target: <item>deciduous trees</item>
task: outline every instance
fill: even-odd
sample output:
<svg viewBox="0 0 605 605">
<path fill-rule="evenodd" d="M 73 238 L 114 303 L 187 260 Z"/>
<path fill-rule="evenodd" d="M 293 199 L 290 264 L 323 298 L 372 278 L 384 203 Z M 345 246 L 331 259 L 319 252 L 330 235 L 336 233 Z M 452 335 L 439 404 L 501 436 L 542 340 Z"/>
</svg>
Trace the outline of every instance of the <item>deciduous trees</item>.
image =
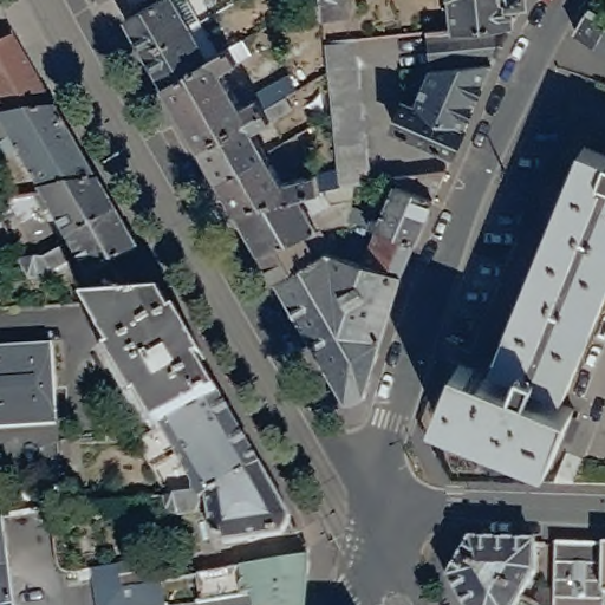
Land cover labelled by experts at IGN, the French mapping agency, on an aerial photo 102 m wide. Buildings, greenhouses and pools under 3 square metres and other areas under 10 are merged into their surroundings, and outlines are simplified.
<svg viewBox="0 0 605 605">
<path fill-rule="evenodd" d="M 116 447 L 130 456 L 137 456 L 147 449 L 144 435 L 149 432 L 149 425 L 139 418 L 139 414 L 132 409 L 132 404 L 123 397 L 121 388 L 116 385 L 97 385 L 90 395 L 80 395 L 85 399 L 80 409 L 90 416 L 92 428 L 80 428 L 76 418 L 59 418 L 57 425 L 61 430 L 61 440 L 113 437 Z"/>
<path fill-rule="evenodd" d="M 184 260 L 180 260 L 175 265 L 163 267 L 163 277 L 175 293 L 189 293 L 199 274 L 191 272 L 191 267 Z"/>
<path fill-rule="evenodd" d="M 125 137 L 135 135 L 139 139 L 151 139 L 165 130 L 165 109 L 156 104 L 156 95 L 144 97 L 139 92 L 139 69 L 125 61 L 125 57 L 123 52 L 106 54 L 102 73 L 104 90 L 113 99 L 125 99 L 125 121 L 121 121 Z"/>
<path fill-rule="evenodd" d="M 333 135 L 331 104 L 326 102 L 321 109 L 305 111 L 303 123 L 307 128 L 321 128 L 326 137 Z"/>
<path fill-rule="evenodd" d="M 95 163 L 109 158 L 109 139 L 87 128 L 92 121 L 92 104 L 87 102 L 87 90 L 83 80 L 69 83 L 66 87 L 57 85 L 50 92 L 52 102 L 59 104 L 59 109 L 69 118 L 80 144 L 87 149 Z"/>
<path fill-rule="evenodd" d="M 210 328 L 215 319 L 208 298 L 203 295 L 189 305 L 196 310 L 199 326 Z"/>
<path fill-rule="evenodd" d="M 272 392 L 272 404 L 281 416 L 293 404 L 303 409 L 310 406 L 314 416 L 314 435 L 340 437 L 340 414 L 324 414 L 312 404 L 324 399 L 326 395 L 324 376 L 312 376 L 305 359 L 291 362 L 286 369 L 277 371 L 277 390 Z"/>
<path fill-rule="evenodd" d="M 35 508 L 43 522 L 43 536 L 52 536 L 54 541 L 61 532 L 76 529 L 78 525 L 90 525 L 92 513 L 99 513 L 106 520 L 116 522 L 132 506 L 147 506 L 154 515 L 168 513 L 165 499 L 173 489 L 165 480 L 156 484 L 139 484 L 128 484 L 123 480 L 116 461 L 104 463 L 99 480 L 83 480 L 76 473 L 69 480 L 59 482 L 45 463 L 28 463 L 26 468 L 0 468 L 0 515 L 9 513 L 17 508 Z"/>
<path fill-rule="evenodd" d="M 139 173 L 128 170 L 125 177 L 111 175 L 113 189 L 111 194 L 118 208 L 123 210 L 135 206 L 139 199 Z"/>
<path fill-rule="evenodd" d="M 581 463 L 574 475 L 577 480 L 605 482 L 605 466 Z"/>
<path fill-rule="evenodd" d="M 262 14 L 262 19 L 269 45 L 279 47 L 284 54 L 291 50 L 288 35 L 293 31 L 305 31 L 314 26 L 314 7 L 319 5 L 317 0 L 265 0 L 267 12 Z"/>
<path fill-rule="evenodd" d="M 222 343 L 210 354 L 210 362 L 210 369 L 215 369 L 217 373 L 229 373 L 234 371 L 236 362 L 229 350 L 229 343 Z"/>
<path fill-rule="evenodd" d="M 378 177 L 371 184 L 359 182 L 357 187 L 352 194 L 352 206 L 378 203 L 388 180 Z"/>
<path fill-rule="evenodd" d="M 0 163 L 0 213 L 7 213 L 9 208 L 12 199 L 21 196 L 19 184 L 12 180 L 9 163 Z"/>
<path fill-rule="evenodd" d="M 324 487 L 319 477 L 303 473 L 300 477 L 286 480 L 284 494 L 300 510 L 319 515 L 324 510 Z"/>
<path fill-rule="evenodd" d="M 258 447 L 262 449 L 265 458 L 269 463 L 293 461 L 298 454 L 295 440 L 286 432 L 279 432 L 277 428 L 265 428 Z"/>
<path fill-rule="evenodd" d="M 421 596 L 437 605 L 440 605 L 444 598 L 444 584 L 440 581 L 418 584 Z"/>
<path fill-rule="evenodd" d="M 90 567 L 123 562 L 123 570 L 132 572 L 130 579 L 158 586 L 168 577 L 191 572 L 189 565 L 196 558 L 194 546 L 199 532 L 194 529 L 182 532 L 177 527 L 144 522 L 139 525 L 137 534 L 125 534 L 123 539 L 118 539 L 118 555 L 113 555 L 109 544 L 97 544 L 92 553 L 83 553 L 80 546 L 66 544 L 66 548 L 59 553 L 59 562 L 66 570 Z"/>
<path fill-rule="evenodd" d="M 593 26 L 596 35 L 605 35 L 605 0 L 591 0 L 588 12 L 598 14 L 598 24 Z"/>
<path fill-rule="evenodd" d="M 19 239 L 14 243 L 0 246 L 0 307 L 24 305 L 31 312 L 33 307 L 43 305 L 73 305 L 78 300 L 78 288 L 73 281 L 64 284 L 64 279 L 59 279 L 52 284 L 40 279 L 38 288 L 28 288 L 28 279 L 19 265 L 19 260 L 26 255 L 26 243 Z"/>
<path fill-rule="evenodd" d="M 262 404 L 258 390 L 253 383 L 246 383 L 236 390 L 232 399 L 241 414 L 258 414 Z"/>
<path fill-rule="evenodd" d="M 229 295 L 239 307 L 260 307 L 267 300 L 267 295 L 255 274 L 241 267 L 236 258 L 236 241 L 232 236 L 234 229 L 229 229 L 227 225 L 206 229 L 194 227 L 194 234 L 201 236 L 201 243 L 194 253 L 201 255 L 203 272 L 217 274 L 225 281 Z"/>
<path fill-rule="evenodd" d="M 139 215 L 132 225 L 132 229 L 139 236 L 149 246 L 154 246 L 163 236 L 161 220 L 151 210 L 147 217 Z"/>
</svg>

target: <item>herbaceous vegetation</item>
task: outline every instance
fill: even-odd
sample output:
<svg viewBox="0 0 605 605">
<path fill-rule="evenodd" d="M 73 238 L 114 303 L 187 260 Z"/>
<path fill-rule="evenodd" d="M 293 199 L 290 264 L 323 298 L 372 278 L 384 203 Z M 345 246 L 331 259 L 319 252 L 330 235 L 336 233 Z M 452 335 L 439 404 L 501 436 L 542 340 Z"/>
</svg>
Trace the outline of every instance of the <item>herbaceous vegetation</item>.
<svg viewBox="0 0 605 605">
<path fill-rule="evenodd" d="M 449 473 L 487 470 L 480 463 L 447 454 Z"/>
<path fill-rule="evenodd" d="M 170 605 L 199 605 L 199 572 L 191 572 L 168 577 L 158 586 L 161 593 L 168 596 L 165 603 Z"/>
<path fill-rule="evenodd" d="M 312 180 L 312 173 L 319 173 L 321 168 L 326 173 L 336 170 L 333 135 L 326 137 L 321 128 L 307 128 L 303 123 L 305 111 L 321 109 L 326 102 L 331 99 L 331 90 L 326 76 L 326 59 L 321 59 L 321 45 L 333 45 L 338 40 L 352 38 L 428 31 L 444 31 L 444 9 L 454 7 L 458 0 L 352 0 L 347 5 L 347 17 L 338 21 L 324 21 L 319 5 L 314 7 L 314 26 L 305 31 L 293 31 L 288 35 L 291 50 L 284 54 L 279 47 L 269 45 L 262 19 L 262 14 L 267 12 L 265 0 L 203 0 L 206 12 L 201 14 L 201 28 L 213 45 L 220 43 L 241 64 L 236 71 L 225 76 L 225 87 L 236 109 L 253 104 L 260 90 L 291 76 L 293 95 L 281 99 L 284 113 L 272 116 L 265 132 L 253 137 L 267 168 L 274 173 L 274 180 L 279 184 L 291 184 L 300 180 Z"/>
<path fill-rule="evenodd" d="M 12 229 L 9 208 L 7 213 L 0 213 L 0 246 L 14 243 L 19 239 L 19 232 Z"/>
<path fill-rule="evenodd" d="M 12 147 L 9 139 L 0 142 L 0 163 L 9 163 L 12 180 L 19 184 L 21 196 L 31 194 L 35 194 L 35 189 L 31 184 L 31 173 L 24 165 L 19 151 Z"/>
<path fill-rule="evenodd" d="M 177 527 L 182 532 L 194 529 L 184 518 L 168 513 L 154 515 L 147 506 L 132 506 L 116 522 L 106 520 L 99 513 L 92 513 L 90 525 L 78 525 L 76 529 L 61 532 L 54 541 L 59 553 L 66 548 L 66 544 L 80 546 L 83 553 L 92 553 L 97 544 L 109 544 L 113 555 L 118 555 L 118 539 L 123 539 L 125 534 L 137 534 L 139 525 L 144 522 Z"/>
<path fill-rule="evenodd" d="M 116 461 L 123 480 L 128 484 L 139 484 L 142 463 L 147 463 L 147 449 L 137 456 L 130 456 L 116 447 L 113 437 L 61 440 L 59 456 L 64 456 L 76 473 L 83 480 L 99 480 L 104 463 Z"/>
<path fill-rule="evenodd" d="M 532 586 L 525 591 L 522 605 L 539 605 L 534 600 L 536 591 L 553 584 L 553 541 L 546 544 L 546 551 L 539 555 L 539 572 Z"/>
</svg>

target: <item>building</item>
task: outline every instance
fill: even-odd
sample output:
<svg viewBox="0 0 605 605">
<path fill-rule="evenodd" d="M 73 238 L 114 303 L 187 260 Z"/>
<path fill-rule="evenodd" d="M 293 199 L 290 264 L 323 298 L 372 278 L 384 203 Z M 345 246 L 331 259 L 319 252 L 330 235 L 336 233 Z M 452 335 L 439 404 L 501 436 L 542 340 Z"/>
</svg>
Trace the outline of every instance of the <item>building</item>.
<svg viewBox="0 0 605 605">
<path fill-rule="evenodd" d="M 352 0 L 317 0 L 319 5 L 324 21 L 338 21 L 347 17 L 347 5 Z"/>
<path fill-rule="evenodd" d="M 64 279 L 64 284 L 73 281 L 73 272 L 59 248 L 31 258 L 26 255 L 19 260 L 19 265 L 28 279 L 28 288 L 38 288 L 40 279 L 52 284 L 59 279 Z"/>
<path fill-rule="evenodd" d="M 473 47 L 503 45 L 508 26 L 489 24 L 489 17 L 503 14 L 513 7 L 515 0 L 458 0 L 454 7 L 444 9 L 444 31 L 428 31 L 428 61 L 423 64 L 425 78 L 414 104 L 397 106 L 397 123 L 390 123 L 390 132 L 411 149 L 428 151 L 430 161 L 442 161 L 442 165 L 447 165 L 458 156 L 463 132 L 475 130 L 477 125 L 475 113 L 480 106 L 475 97 L 480 95 L 480 87 L 475 85 L 473 69 L 484 69 L 489 66 L 489 61 L 487 57 L 470 57 Z"/>
<path fill-rule="evenodd" d="M 558 203 L 553 208 L 553 215 L 548 220 L 548 227 L 544 232 L 544 239 L 522 284 L 522 291 L 501 336 L 501 345 L 494 350 L 489 364 L 482 362 L 454 366 L 444 378 L 444 390 L 435 406 L 425 430 L 425 442 L 440 449 L 447 454 L 480 463 L 487 470 L 513 477 L 532 487 L 544 484 L 544 477 L 551 470 L 572 425 L 572 416 L 567 416 L 567 409 L 562 404 L 567 399 L 567 388 L 572 388 L 577 376 L 577 362 L 586 343 L 586 333 L 596 328 L 596 312 L 605 298 L 605 156 L 581 151 L 579 158 L 572 163 Z"/>
<path fill-rule="evenodd" d="M 59 376 L 54 340 L 0 343 L 0 430 L 57 425 L 59 418 Z"/>
<path fill-rule="evenodd" d="M 605 539 L 553 541 L 553 584 L 536 591 L 534 600 L 539 605 L 605 605 Z"/>
<path fill-rule="evenodd" d="M 199 605 L 305 605 L 307 584 L 312 579 L 303 553 L 248 560 L 199 572 Z"/>
<path fill-rule="evenodd" d="M 588 12 L 574 21 L 577 40 L 584 47 L 596 47 L 596 35 L 593 26 L 598 24 L 598 14 Z"/>
<path fill-rule="evenodd" d="M 17 560 L 17 555 L 9 548 L 9 513 L 0 515 L 0 605 L 19 605 L 17 598 L 28 584 L 19 577 L 7 579 L 12 560 Z"/>
<path fill-rule="evenodd" d="M 194 546 L 196 558 L 220 553 L 239 544 L 284 536 L 291 527 L 291 513 L 281 510 L 281 503 L 262 480 L 260 468 L 255 466 L 258 456 L 253 456 L 248 442 L 236 430 L 236 418 L 232 416 L 232 411 L 227 411 L 227 404 L 220 402 L 220 397 L 215 395 L 208 366 L 203 364 L 203 359 L 210 362 L 210 354 L 208 345 L 196 345 L 187 324 L 182 324 L 175 303 L 165 300 L 161 288 L 151 281 L 78 288 L 78 300 L 73 305 L 90 312 L 90 321 L 95 324 L 95 331 L 102 343 L 102 366 L 113 376 L 116 385 L 121 388 L 123 397 L 132 404 L 132 409 L 139 414 L 139 418 L 149 425 L 149 432 L 144 435 L 147 449 L 147 463 L 142 463 L 139 484 L 156 484 L 165 480 L 173 489 L 165 499 L 168 513 L 184 518 L 194 529 L 199 532 Z"/>
<path fill-rule="evenodd" d="M 168 596 L 161 593 L 158 586 L 130 579 L 132 572 L 123 570 L 123 562 L 90 567 L 90 579 L 85 584 L 90 586 L 92 605 L 170 605 L 165 603 Z"/>
<path fill-rule="evenodd" d="M 546 544 L 534 541 L 532 534 L 510 534 L 510 527 L 506 522 L 492 522 L 489 529 L 482 534 L 468 532 L 461 536 L 461 544 L 454 548 L 451 560 L 440 574 L 440 581 L 444 584 L 444 598 L 440 605 L 522 605 L 525 591 L 532 586 L 539 572 L 539 555 L 546 551 Z"/>
<path fill-rule="evenodd" d="M 59 104 L 52 102 L 50 92 L 43 92 L 38 78 L 33 78 L 31 54 L 21 45 L 19 35 L 9 28 L 7 35 L 0 38 L 0 142 L 9 139 L 12 147 L 19 151 L 24 165 L 31 173 L 31 184 L 35 189 L 35 194 L 31 194 L 40 208 L 52 213 L 52 225 L 59 227 L 59 234 L 66 239 L 69 248 L 78 258 L 118 258 L 132 251 L 135 239 L 139 236 L 132 229 L 132 225 L 128 227 L 123 222 L 123 210 L 118 208 L 111 194 L 113 189 L 99 177 L 95 163 L 87 149 L 80 144 L 69 118 L 59 109 Z"/>
<path fill-rule="evenodd" d="M 288 321 L 293 321 L 295 328 L 303 336 L 312 338 L 314 347 L 321 350 L 321 359 L 317 364 L 321 366 L 324 376 L 326 395 L 333 395 L 336 404 L 340 404 L 343 409 L 352 409 L 366 399 L 364 383 L 369 364 L 378 345 L 378 338 L 385 340 L 385 328 L 392 324 L 392 303 L 402 284 L 406 262 L 414 255 L 414 251 L 406 246 L 397 251 L 392 248 L 392 232 L 404 213 L 416 222 L 428 222 L 428 210 L 421 208 L 421 203 L 430 201 L 432 191 L 440 191 L 447 184 L 440 177 L 442 173 L 392 175 L 388 180 L 378 203 L 383 203 L 383 213 L 378 220 L 369 222 L 352 206 L 352 194 L 357 187 L 338 187 L 336 170 L 326 173 L 321 168 L 319 173 L 312 173 L 312 180 L 300 180 L 291 184 L 279 184 L 274 180 L 274 173 L 267 168 L 253 137 L 265 132 L 272 116 L 284 113 L 281 99 L 293 95 L 291 76 L 260 90 L 253 104 L 236 109 L 225 87 L 225 76 L 236 71 L 241 64 L 220 43 L 213 45 L 201 28 L 189 28 L 191 12 L 184 9 L 184 5 L 189 0 L 156 0 L 149 9 L 139 12 L 137 17 L 125 17 L 123 12 L 116 17 L 123 35 L 128 38 L 128 45 L 132 47 L 132 54 L 125 57 L 125 61 L 139 69 L 144 59 L 154 57 L 154 66 L 149 66 L 149 78 L 156 80 L 161 87 L 161 92 L 156 95 L 156 104 L 165 109 L 165 130 L 180 135 L 182 144 L 187 147 L 184 154 L 189 154 L 199 163 L 203 177 L 213 189 L 215 203 L 225 208 L 227 220 L 236 225 L 234 229 L 232 236 L 236 241 L 241 239 L 251 258 L 258 262 L 255 274 L 267 295 L 277 295 Z"/>
</svg>

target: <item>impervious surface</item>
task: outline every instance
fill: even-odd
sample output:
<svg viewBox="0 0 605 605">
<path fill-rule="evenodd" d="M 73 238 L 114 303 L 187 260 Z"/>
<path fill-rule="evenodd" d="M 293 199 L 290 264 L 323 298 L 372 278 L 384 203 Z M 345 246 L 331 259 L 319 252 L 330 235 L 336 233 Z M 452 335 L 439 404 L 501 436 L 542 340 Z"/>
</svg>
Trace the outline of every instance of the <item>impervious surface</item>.
<svg viewBox="0 0 605 605">
<path fill-rule="evenodd" d="M 59 418 L 76 418 L 80 428 L 92 428 L 90 416 L 80 409 L 85 399 L 80 395 L 90 395 L 97 385 L 116 385 L 113 376 L 102 366 L 102 343 L 95 331 L 95 324 L 90 321 L 90 312 L 73 305 L 43 305 L 33 307 L 31 312 L 24 305 L 0 307 L 0 343 L 54 340 L 59 376 Z"/>
<path fill-rule="evenodd" d="M 87 102 L 92 104 L 92 121 L 87 128 L 109 139 L 109 158 L 95 163 L 99 177 L 113 189 L 111 175 L 125 177 L 128 170 L 139 173 L 139 199 L 135 206 L 123 210 L 123 222 L 128 227 L 132 225 L 139 215 L 147 217 L 151 210 L 161 220 L 163 236 L 154 246 L 149 246 L 139 236 L 135 239 L 132 251 L 118 258 L 78 258 L 69 248 L 66 239 L 59 234 L 59 227 L 52 225 L 52 213 L 40 208 L 31 194 L 21 196 L 12 199 L 9 208 L 12 229 L 19 232 L 19 239 L 26 243 L 26 255 L 31 258 L 59 248 L 73 272 L 73 281 L 78 288 L 151 281 L 161 288 L 165 300 L 175 303 L 182 324 L 187 324 L 196 345 L 208 345 L 210 354 L 222 343 L 229 343 L 229 350 L 236 362 L 234 371 L 229 373 L 217 373 L 215 369 L 210 369 L 210 362 L 203 359 L 203 364 L 208 366 L 215 395 L 220 397 L 220 402 L 227 404 L 227 411 L 232 411 L 232 416 L 236 418 L 236 430 L 248 442 L 253 456 L 258 456 L 255 466 L 260 468 L 262 480 L 281 503 L 281 510 L 291 513 L 291 527 L 284 536 L 239 544 L 220 553 L 196 558 L 189 565 L 191 572 L 199 572 L 248 560 L 303 553 L 312 579 L 307 584 L 305 605 L 437 605 L 421 596 L 418 584 L 440 581 L 440 574 L 451 560 L 454 548 L 461 544 L 461 536 L 468 532 L 482 534 L 489 529 L 492 522 L 506 522 L 510 527 L 510 534 L 532 534 L 534 541 L 546 544 L 553 541 L 605 539 L 605 482 L 577 480 L 574 475 L 581 463 L 605 466 L 605 298 L 596 312 L 596 328 L 586 333 L 586 343 L 577 362 L 577 376 L 572 388 L 567 388 L 567 399 L 562 404 L 567 409 L 567 416 L 572 416 L 572 425 L 551 470 L 544 477 L 544 484 L 532 487 L 513 477 L 510 484 L 449 482 L 435 458 L 435 451 L 440 449 L 425 442 L 425 430 L 416 428 L 418 402 L 423 397 L 435 406 L 444 390 L 444 378 L 454 366 L 482 362 L 489 364 L 494 350 L 501 345 L 501 336 L 522 291 L 522 284 L 544 239 L 544 232 L 548 227 L 548 220 L 553 215 L 553 208 L 558 203 L 572 163 L 579 158 L 581 151 L 605 156 L 605 35 L 596 35 L 596 47 L 584 47 L 577 40 L 574 21 L 588 12 L 591 0 L 515 0 L 513 7 L 503 14 L 489 17 L 489 24 L 508 26 L 503 45 L 473 47 L 470 57 L 487 57 L 489 61 L 489 66 L 484 69 L 473 69 L 475 85 L 480 87 L 480 95 L 475 97 L 480 106 L 475 113 L 477 125 L 475 130 L 463 132 L 458 156 L 447 165 L 442 165 L 442 161 L 430 161 L 428 151 L 411 149 L 390 132 L 390 123 L 397 123 L 397 106 L 414 104 L 425 78 L 423 64 L 428 61 L 428 31 L 352 38 L 338 40 L 333 45 L 321 45 L 321 59 L 326 59 L 326 76 L 331 90 L 331 99 L 326 102 L 331 104 L 333 135 L 336 170 L 338 187 L 357 187 L 359 182 L 371 184 L 378 177 L 388 180 L 392 175 L 442 173 L 440 177 L 447 184 L 440 191 L 432 191 L 430 201 L 421 203 L 421 208 L 428 210 L 428 222 L 416 222 L 404 213 L 392 232 L 392 248 L 397 251 L 406 246 L 414 251 L 414 255 L 406 262 L 402 284 L 392 303 L 392 324 L 385 328 L 385 340 L 378 338 L 378 345 L 369 364 L 364 383 L 366 399 L 352 409 L 343 409 L 340 404 L 336 404 L 333 395 L 326 395 L 324 399 L 312 404 L 324 414 L 340 414 L 340 437 L 314 435 L 314 416 L 310 406 L 303 409 L 293 404 L 281 416 L 272 404 L 272 392 L 277 390 L 277 371 L 286 369 L 291 362 L 305 359 L 312 376 L 324 376 L 321 366 L 317 364 L 321 359 L 321 350 L 314 347 L 312 338 L 303 336 L 295 328 L 293 321 L 288 321 L 277 295 L 267 295 L 267 300 L 260 307 L 239 307 L 229 295 L 225 281 L 217 274 L 203 272 L 201 255 L 194 253 L 201 243 L 201 236 L 194 234 L 194 227 L 206 229 L 227 225 L 229 229 L 234 229 L 236 225 L 227 220 L 225 208 L 215 203 L 213 189 L 203 177 L 199 163 L 189 154 L 184 154 L 187 147 L 182 144 L 180 135 L 165 130 L 151 139 L 139 139 L 135 135 L 125 137 L 121 121 L 125 121 L 125 99 L 113 99 L 104 90 L 102 73 L 106 54 L 123 52 L 125 57 L 132 54 L 132 47 L 128 45 L 128 38 L 123 35 L 116 17 L 123 12 L 125 17 L 137 17 L 139 12 L 149 9 L 156 0 L 0 0 L 0 38 L 7 35 L 9 28 L 19 35 L 21 45 L 31 54 L 33 78 L 38 78 L 43 92 L 50 92 L 57 85 L 66 87 L 69 83 L 83 80 L 87 90 Z M 184 260 L 191 267 L 191 272 L 199 274 L 189 293 L 175 293 L 163 277 L 163 267 L 175 265 L 180 260 Z M 199 326 L 196 310 L 189 305 L 203 295 L 208 298 L 215 319 L 210 328 Z M 246 383 L 253 383 L 258 390 L 262 404 L 258 414 L 241 414 L 232 399 L 236 390 Z M 258 447 L 265 428 L 277 428 L 279 432 L 286 432 L 295 440 L 298 454 L 293 461 L 269 463 L 265 458 L 262 449 Z M 300 510 L 284 494 L 286 480 L 300 477 L 303 473 L 319 477 L 324 487 L 324 510 L 319 515 Z"/>
<path fill-rule="evenodd" d="M 378 220 L 383 213 L 383 203 L 378 203 L 352 206 L 369 222 Z"/>
<path fill-rule="evenodd" d="M 156 95 L 161 92 L 161 87 L 156 80 L 149 78 L 149 66 L 154 66 L 154 57 L 144 59 L 139 69 L 139 92 L 144 97 Z"/>
<path fill-rule="evenodd" d="M 236 241 L 236 258 L 241 267 L 255 274 L 258 262 L 251 258 L 241 239 Z"/>
<path fill-rule="evenodd" d="M 206 12 L 203 0 L 189 0 L 184 5 L 184 9 L 191 12 L 189 28 L 201 28 L 201 14 Z"/>
<path fill-rule="evenodd" d="M 26 468 L 28 463 L 45 463 L 59 482 L 69 480 L 76 473 L 64 456 L 59 456 L 61 440 L 61 430 L 57 425 L 0 430 L 0 468 Z"/>
<path fill-rule="evenodd" d="M 52 536 L 43 536 L 43 522 L 35 508 L 17 508 L 9 513 L 9 548 L 17 555 L 17 560 L 12 560 L 7 579 L 19 577 L 28 584 L 17 598 L 19 605 L 92 605 L 90 586 L 85 584 L 90 579 L 90 567 L 66 570 L 59 562 L 59 553 L 54 541 Z"/>
</svg>

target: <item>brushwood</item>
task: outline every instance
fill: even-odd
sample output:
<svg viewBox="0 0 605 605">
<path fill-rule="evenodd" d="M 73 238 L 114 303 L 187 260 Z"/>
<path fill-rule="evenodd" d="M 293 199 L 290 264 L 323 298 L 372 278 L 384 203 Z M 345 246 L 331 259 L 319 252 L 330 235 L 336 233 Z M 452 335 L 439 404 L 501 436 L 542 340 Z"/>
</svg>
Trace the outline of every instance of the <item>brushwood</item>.
<svg viewBox="0 0 605 605">
<path fill-rule="evenodd" d="M 447 454 L 440 449 L 435 451 L 435 458 L 449 482 L 510 484 L 513 477 L 487 470 L 449 473 Z"/>
<path fill-rule="evenodd" d="M 418 402 L 416 428 L 425 430 L 435 406 L 423 397 Z"/>
</svg>

